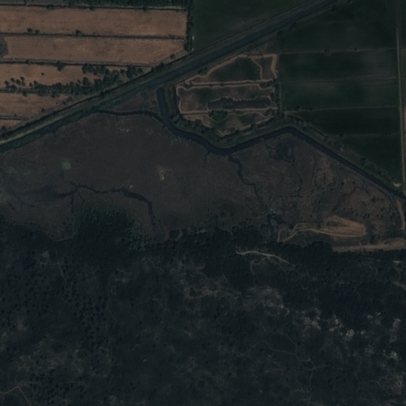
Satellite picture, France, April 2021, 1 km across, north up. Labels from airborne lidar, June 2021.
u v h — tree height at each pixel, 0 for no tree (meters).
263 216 0
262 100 5
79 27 0
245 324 6
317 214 0
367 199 0
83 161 0
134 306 9
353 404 0
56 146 0
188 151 0
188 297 0
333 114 0
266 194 0
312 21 0
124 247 12
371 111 0
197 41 0
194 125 9
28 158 0
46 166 0
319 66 0
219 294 0
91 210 5
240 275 8
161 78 0
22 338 0
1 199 0
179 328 0
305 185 0
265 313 0
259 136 0
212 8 0
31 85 11
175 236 10
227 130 0
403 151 0
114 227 9
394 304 6
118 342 6
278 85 13
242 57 0
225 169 0
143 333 0
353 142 0
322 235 0
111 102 0
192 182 0
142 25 0
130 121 0
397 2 0
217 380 0
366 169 0
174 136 0
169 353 0
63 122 0
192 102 0
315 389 0
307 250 10
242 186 0
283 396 0
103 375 0
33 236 14
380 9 0
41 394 8
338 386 0
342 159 0
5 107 0
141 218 0
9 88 14
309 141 0
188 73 0
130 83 7
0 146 0
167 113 0
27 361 0
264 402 0
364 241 7
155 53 0
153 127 0
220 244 8
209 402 0
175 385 0
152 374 0
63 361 0
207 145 0
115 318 0
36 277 7
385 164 0
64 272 10
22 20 0
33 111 0
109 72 17
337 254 8
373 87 0
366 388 0
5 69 0
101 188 0
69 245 6
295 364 0
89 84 18
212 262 7
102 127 0
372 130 0
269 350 0
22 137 0
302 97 0
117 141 0
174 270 0
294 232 0
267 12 0
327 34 0
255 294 0
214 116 13
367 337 0
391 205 6
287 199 0
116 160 0
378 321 0
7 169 0
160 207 0
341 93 0
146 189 0
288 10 0
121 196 0
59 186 0
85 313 15
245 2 0
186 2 18
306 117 0
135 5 22
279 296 0
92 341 14
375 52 0
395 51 0
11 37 0
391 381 0
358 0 0
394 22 0
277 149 0
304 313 0
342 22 0
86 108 0
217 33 0
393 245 0
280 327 0
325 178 0
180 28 0
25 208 0
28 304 13
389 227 0
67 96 0
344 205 0
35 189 0
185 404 0
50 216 0
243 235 10
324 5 0
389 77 0
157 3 23
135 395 0
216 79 0
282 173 0
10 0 0
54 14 0
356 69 0
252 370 0
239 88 0
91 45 0
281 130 0
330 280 6
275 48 0
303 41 0
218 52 0
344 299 8
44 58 0
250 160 0
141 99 0
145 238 10
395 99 0
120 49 0
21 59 0
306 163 0
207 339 0
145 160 0
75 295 13
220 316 7
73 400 0
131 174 0
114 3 19
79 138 0
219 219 13
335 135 0
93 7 10
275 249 10
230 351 0
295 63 0
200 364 0
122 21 0
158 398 0
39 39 0
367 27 0
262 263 0
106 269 6
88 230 8
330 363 8
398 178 0
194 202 0
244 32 0
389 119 0
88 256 6
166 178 0
